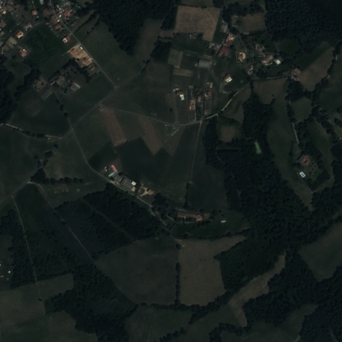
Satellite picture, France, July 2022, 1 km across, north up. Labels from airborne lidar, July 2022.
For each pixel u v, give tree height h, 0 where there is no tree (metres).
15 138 0
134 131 0
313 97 7
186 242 0
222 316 0
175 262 0
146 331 0
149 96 0
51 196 0
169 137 0
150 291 0
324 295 18
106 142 0
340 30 25
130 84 0
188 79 0
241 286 23
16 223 15
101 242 17
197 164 0
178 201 0
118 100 0
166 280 0
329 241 0
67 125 0
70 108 0
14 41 0
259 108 19
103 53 0
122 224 6
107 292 8
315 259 0
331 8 6
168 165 0
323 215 13
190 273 0
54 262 9
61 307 14
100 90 0
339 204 32
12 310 0
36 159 9
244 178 20
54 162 0
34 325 0
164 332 0
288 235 20
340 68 0
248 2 0
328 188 15
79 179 8
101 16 8
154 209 13
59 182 7
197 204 0
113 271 0
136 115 0
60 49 0
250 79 13
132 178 8
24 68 0
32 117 0
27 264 9
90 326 15
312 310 0
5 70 15
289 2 26
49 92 0
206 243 0
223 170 13
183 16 0
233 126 0
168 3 20
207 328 0
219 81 0
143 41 0
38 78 10
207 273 0
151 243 0
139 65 0
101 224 11
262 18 0
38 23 0
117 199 25
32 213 0
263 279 0
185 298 0
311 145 18
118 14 10
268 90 0
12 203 0
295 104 0
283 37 15
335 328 27
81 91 0
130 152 0
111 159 0
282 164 0
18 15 0
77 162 0
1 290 0
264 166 21
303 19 25
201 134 0
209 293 0
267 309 19
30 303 0
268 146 15
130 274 0
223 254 14
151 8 16
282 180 13
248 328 12
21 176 0
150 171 0
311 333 19
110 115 0
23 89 17
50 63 0
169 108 0
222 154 22
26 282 12
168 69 0
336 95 0
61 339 0
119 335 15
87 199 14
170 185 0
